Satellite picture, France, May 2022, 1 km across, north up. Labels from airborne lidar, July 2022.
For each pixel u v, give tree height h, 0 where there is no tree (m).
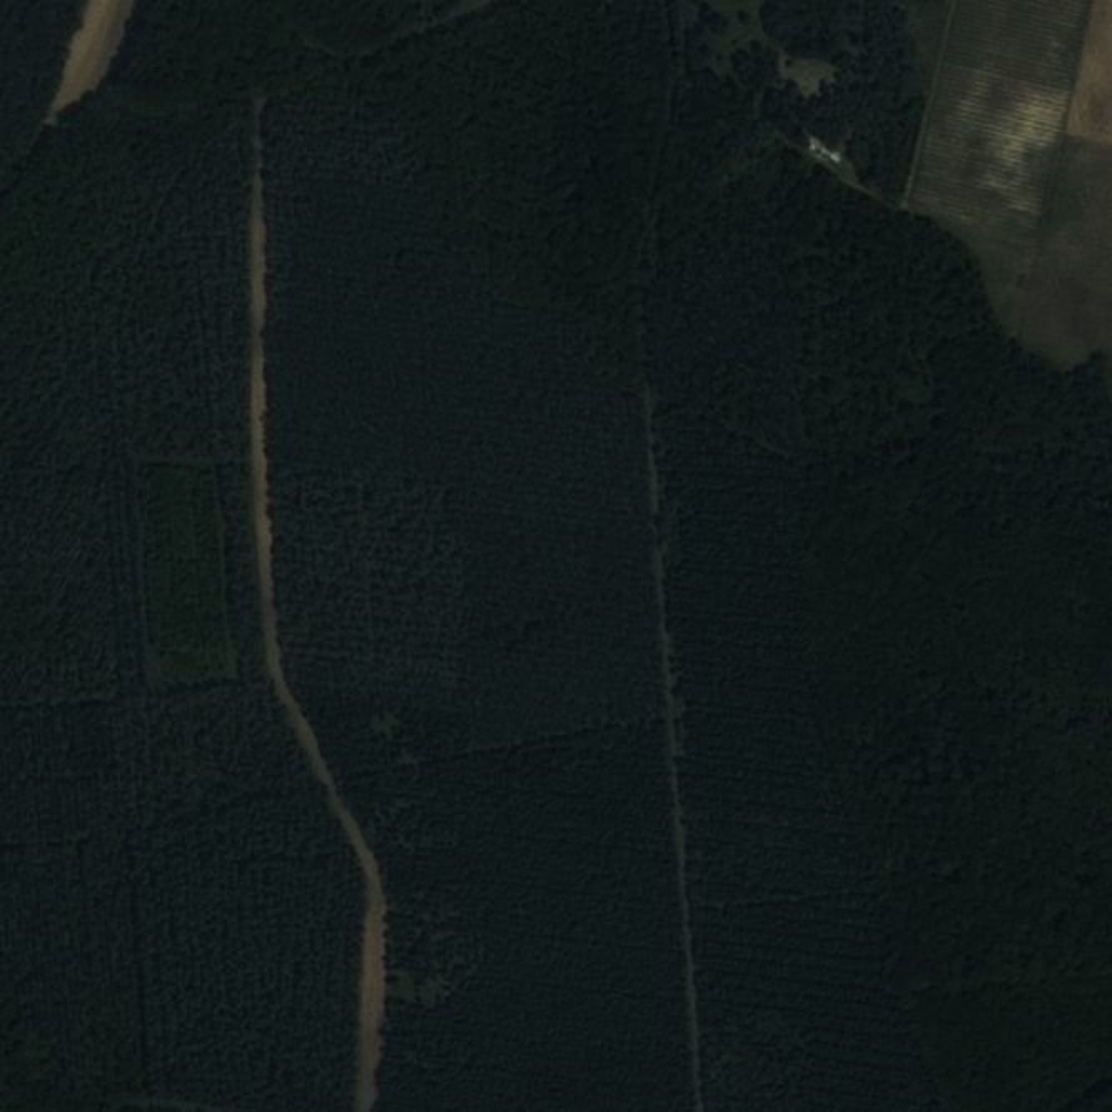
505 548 15
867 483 23
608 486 19
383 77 16
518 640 12
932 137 0
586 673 14
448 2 7
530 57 14
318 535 16
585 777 12
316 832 26
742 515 11
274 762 10
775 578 17
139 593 13
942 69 0
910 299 16
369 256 15
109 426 12
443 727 10
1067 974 11
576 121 18
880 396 18
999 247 0
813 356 16
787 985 12
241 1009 21
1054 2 0
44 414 15
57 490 11
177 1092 22
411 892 13
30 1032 16
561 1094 13
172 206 14
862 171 15
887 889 18
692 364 18
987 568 17
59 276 12
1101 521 23
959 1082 11
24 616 11
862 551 23
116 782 12
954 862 23
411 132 13
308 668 16
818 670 15
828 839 12
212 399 15
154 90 23
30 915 14
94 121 18
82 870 18
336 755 14
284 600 16
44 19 26
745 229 16
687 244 16
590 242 26
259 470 0
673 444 11
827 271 19
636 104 24
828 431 16
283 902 27
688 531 14
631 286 16
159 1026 20
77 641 10
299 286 13
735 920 14
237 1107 25
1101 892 24
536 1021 14
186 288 13
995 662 17
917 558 19
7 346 17
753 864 10
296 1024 27
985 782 26
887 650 19
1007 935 21
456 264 15
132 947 12
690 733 10
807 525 16
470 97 14
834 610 19
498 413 20
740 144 19
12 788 16
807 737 15
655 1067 12
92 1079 15
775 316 16
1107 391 9
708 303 15
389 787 10
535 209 16
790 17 22
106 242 12
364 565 15
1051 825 21
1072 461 18
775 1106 9
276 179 14
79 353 11
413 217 16
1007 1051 10
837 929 14
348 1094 24
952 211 0
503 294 13
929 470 22
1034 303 0
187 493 6
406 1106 15
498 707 15
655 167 15
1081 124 0
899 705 20
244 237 15
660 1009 14
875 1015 16
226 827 26
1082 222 0
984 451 13
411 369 16
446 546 16
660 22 16
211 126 17
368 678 18
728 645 13
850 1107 12
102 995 14
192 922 24
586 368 16
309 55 16
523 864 12
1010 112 0
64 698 7
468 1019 14
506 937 11
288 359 16
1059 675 15
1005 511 19
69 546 14
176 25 24
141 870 25
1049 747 19
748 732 12
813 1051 15
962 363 15
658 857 12
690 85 15
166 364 9
